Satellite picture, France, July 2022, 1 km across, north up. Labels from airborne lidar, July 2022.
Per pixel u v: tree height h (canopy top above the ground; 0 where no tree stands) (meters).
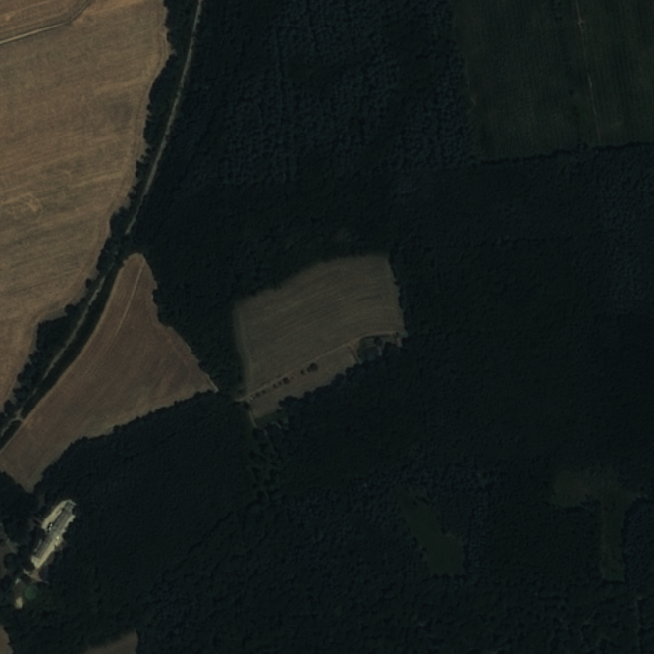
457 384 20
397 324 0
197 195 18
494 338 21
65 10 0
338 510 29
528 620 31
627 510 0
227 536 21
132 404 0
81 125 0
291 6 31
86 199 0
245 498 18
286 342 0
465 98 25
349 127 22
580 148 13
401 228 21
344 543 31
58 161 0
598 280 20
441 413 28
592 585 18
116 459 18
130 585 21
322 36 37
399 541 22
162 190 13
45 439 0
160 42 0
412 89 29
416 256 25
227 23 20
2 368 0
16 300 0
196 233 18
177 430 18
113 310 0
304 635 26
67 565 22
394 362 26
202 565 19
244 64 29
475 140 27
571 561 25
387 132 25
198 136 20
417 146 27
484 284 28
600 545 23
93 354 0
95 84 0
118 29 0
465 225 24
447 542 0
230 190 27
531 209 20
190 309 22
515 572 26
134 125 0
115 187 0
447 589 25
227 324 17
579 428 22
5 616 21
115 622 22
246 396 0
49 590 7
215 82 23
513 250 26
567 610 29
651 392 24
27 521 20
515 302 29
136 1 0
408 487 24
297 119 23
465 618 26
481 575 26
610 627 28
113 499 18
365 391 28
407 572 25
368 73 32
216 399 15
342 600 25
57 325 10
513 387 21
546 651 25
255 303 0
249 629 24
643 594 24
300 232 27
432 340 19
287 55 28
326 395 26
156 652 20
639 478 17
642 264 21
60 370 7
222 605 26
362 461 26
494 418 20
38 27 0
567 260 27
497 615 29
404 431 26
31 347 0
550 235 21
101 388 0
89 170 0
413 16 20
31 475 0
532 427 19
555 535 24
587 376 21
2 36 0
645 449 23
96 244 0
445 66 20
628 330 26
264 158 20
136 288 0
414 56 22
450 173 21
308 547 24
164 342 0
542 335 17
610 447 20
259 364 0
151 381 0
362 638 25
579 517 24
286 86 33
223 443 18
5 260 0
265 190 25
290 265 22
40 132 0
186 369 0
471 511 13
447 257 23
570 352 19
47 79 0
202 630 25
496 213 25
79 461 17
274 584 24
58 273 0
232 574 21
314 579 26
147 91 0
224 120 23
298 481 28
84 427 0
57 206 0
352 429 25
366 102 23
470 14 0
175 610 26
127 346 0
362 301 0
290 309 0
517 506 25
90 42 0
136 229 9
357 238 25
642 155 21
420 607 26
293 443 27
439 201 20
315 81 18
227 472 16
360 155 28
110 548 18
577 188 20
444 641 26
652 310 20
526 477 24
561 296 29
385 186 25
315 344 0
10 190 0
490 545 23
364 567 27
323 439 26
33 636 15
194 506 17
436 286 24
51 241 0
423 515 0
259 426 0
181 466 16
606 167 21
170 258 22
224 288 20
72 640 21
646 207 19
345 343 0
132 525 15
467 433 20
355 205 24
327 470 28
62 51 0
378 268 0
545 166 21
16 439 0
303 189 27
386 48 18
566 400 19
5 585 19
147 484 18
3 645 0
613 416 22
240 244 27
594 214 18
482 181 21
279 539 22
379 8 28
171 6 21
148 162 17
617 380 24
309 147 29
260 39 24
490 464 21
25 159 0
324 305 0
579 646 29
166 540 15
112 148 0
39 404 0
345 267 0
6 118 0
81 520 14
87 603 18
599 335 21
